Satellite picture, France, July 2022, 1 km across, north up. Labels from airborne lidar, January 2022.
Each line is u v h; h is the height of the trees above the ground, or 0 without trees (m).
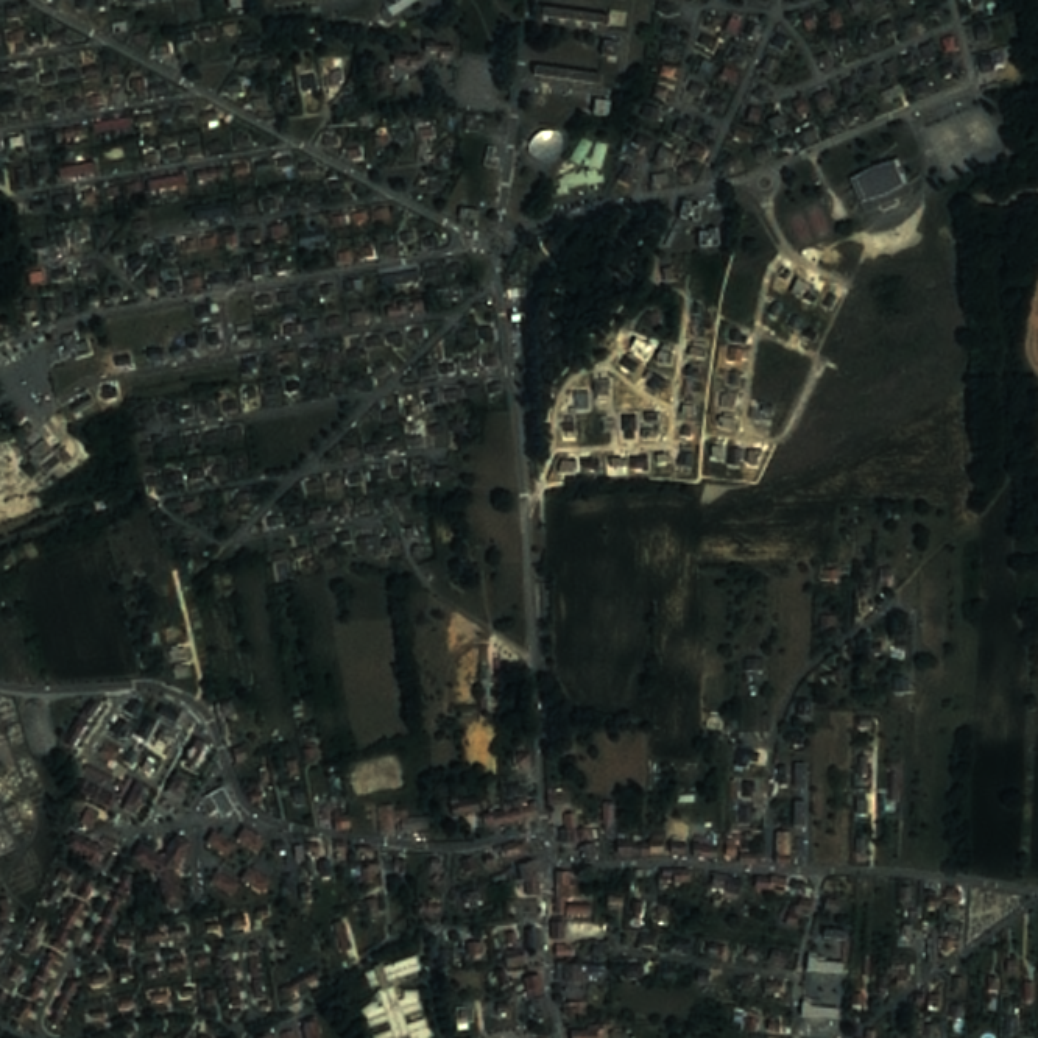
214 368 0
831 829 8
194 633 0
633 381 0
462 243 0
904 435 0
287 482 0
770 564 0
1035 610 9
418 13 10
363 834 0
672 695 0
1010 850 0
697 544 0
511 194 0
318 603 0
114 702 0
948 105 0
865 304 0
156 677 11
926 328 0
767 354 0
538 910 0
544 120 0
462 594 0
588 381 0
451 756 0
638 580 0
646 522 0
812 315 0
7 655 0
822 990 8
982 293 16
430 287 8
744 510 0
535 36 15
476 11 0
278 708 0
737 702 7
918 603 0
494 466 0
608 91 0
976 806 0
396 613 15
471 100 0
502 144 0
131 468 18
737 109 0
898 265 0
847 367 0
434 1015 9
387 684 0
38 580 0
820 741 0
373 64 21
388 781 0
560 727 25
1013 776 0
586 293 24
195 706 0
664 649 0
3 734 0
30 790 0
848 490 0
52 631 0
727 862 0
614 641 0
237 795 0
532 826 0
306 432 0
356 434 0
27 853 0
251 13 16
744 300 0
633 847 0
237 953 0
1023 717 0
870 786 0
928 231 0
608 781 0
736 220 16
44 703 0
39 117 0
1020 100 15
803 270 0
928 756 0
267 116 0
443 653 0
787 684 0
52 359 0
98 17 0
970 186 6
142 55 0
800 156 0
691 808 0
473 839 11
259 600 0
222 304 0
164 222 0
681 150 0
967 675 0
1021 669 0
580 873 17
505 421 0
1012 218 18
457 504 17
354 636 0
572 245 27
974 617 7
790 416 0
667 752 0
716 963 0
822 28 6
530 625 0
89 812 0
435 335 0
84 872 12
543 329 28
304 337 0
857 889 0
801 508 0
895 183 0
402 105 10
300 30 21
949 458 0
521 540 0
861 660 15
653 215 28
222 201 8
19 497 0
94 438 8
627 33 0
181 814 0
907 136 0
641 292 27
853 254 0
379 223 6
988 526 0
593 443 0
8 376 0
